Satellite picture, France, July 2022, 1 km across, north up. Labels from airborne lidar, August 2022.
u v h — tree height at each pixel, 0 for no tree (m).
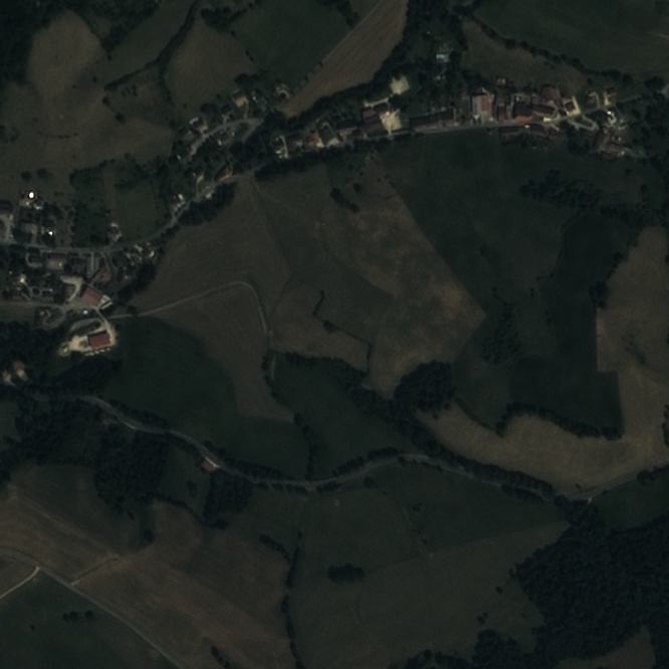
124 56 0
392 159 0
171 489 0
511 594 0
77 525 0
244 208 0
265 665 0
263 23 0
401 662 0
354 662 0
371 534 0
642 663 0
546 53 12
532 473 0
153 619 0
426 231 0
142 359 0
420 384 19
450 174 0
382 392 0
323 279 0
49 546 0
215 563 0
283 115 7
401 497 0
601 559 24
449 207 0
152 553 0
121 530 0
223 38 0
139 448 7
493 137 0
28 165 0
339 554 0
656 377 0
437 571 0
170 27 0
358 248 0
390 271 0
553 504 0
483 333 0
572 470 0
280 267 0
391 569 0
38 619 0
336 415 0
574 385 0
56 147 0
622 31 0
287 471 0
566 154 0
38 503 0
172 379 0
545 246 0
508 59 0
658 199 0
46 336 22
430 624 0
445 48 0
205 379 0
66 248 0
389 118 0
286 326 0
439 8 23
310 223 0
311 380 0
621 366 0
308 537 0
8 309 0
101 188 0
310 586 0
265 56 0
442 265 0
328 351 0
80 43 0
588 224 0
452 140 0
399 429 14
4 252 12
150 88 0
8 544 0
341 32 0
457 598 0
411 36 11
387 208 0
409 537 0
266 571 0
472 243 0
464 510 0
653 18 0
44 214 12
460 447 0
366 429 0
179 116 0
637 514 0
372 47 0
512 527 0
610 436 14
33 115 0
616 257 10
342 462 0
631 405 0
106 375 17
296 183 0
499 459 0
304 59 0
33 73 0
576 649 23
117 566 0
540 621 0
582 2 0
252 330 0
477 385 0
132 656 0
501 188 0
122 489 21
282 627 0
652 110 18
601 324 0
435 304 0
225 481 10
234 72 0
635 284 0
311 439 10
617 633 11
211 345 0
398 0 0
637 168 0
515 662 24
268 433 0
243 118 0
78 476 0
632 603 16
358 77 0
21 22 18
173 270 0
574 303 0
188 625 0
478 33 0
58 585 0
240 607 0
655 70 0
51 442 15
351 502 0
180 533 0
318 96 0
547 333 0
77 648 0
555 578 10
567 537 10
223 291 0
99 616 0
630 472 0
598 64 0
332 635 0
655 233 0
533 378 0
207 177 7
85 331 0
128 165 0
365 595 0
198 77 0
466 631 0
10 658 0
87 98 0
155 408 0
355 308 0
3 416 0
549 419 8
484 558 0
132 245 0
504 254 0
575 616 27
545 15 0
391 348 0
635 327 0
